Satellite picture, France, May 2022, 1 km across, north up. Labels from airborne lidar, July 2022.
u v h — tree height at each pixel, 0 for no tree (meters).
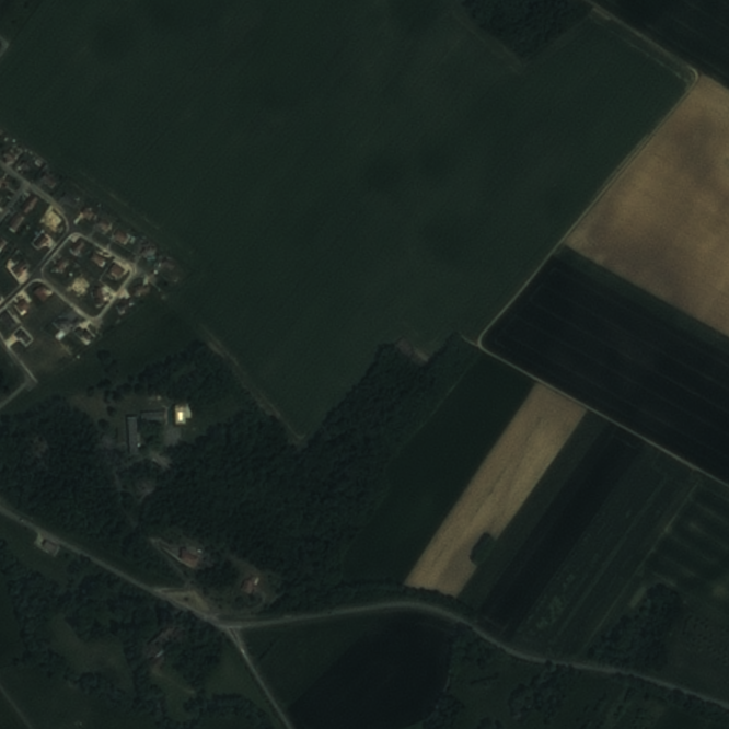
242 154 0
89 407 0
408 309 0
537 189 0
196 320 0
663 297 0
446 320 0
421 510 0
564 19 18
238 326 0
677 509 0
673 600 19
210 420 0
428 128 0
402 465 0
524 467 0
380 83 0
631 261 0
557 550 0
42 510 19
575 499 0
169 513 15
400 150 0
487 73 0
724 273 0
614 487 0
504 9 24
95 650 0
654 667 28
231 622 0
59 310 0
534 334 0
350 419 7
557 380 0
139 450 8
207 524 16
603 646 7
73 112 0
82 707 0
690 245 0
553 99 0
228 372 22
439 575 0
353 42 0
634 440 0
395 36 0
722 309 0
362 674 0
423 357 0
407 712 0
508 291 0
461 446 0
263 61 0
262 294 0
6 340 0
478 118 0
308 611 19
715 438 0
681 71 0
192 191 0
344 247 0
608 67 0
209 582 14
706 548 0
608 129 0
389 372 15
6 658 0
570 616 0
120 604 25
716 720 17
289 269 0
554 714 15
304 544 24
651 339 0
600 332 0
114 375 10
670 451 0
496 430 0
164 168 0
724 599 0
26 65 0
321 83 0
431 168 0
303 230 0
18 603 21
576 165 0
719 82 0
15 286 0
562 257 0
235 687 0
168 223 0
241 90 0
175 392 20
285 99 0
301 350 0
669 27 0
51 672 18
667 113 0
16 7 0
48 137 0
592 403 0
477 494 0
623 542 0
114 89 0
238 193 0
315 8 0
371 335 0
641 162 0
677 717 0
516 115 0
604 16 0
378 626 0
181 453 17
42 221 0
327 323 0
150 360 0
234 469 12
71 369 0
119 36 0
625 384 0
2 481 21
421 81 0
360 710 0
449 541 0
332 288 0
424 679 0
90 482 23
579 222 0
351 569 0
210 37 0
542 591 0
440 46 0
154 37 0
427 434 0
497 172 0
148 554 22
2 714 0
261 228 0
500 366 0
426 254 0
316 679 0
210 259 0
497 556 0
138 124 0
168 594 0
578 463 0
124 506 18
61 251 0
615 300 0
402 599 13
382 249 0
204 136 0
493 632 0
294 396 0
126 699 19
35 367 0
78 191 0
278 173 0
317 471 20
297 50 0
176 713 0
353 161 0
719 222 0
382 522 0
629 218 0
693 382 0
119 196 0
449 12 0
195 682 22
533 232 0
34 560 0
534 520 0
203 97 0
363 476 17
